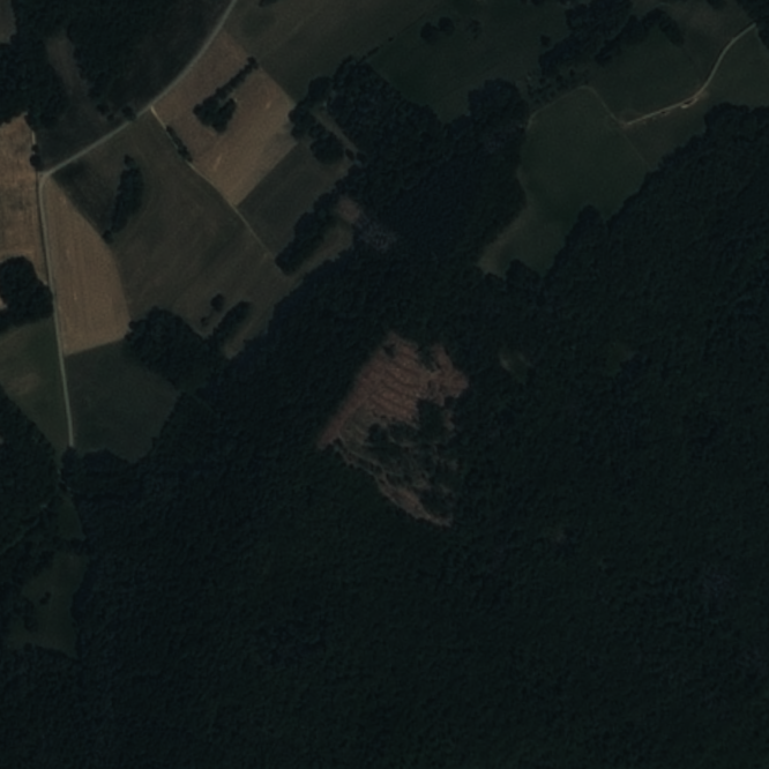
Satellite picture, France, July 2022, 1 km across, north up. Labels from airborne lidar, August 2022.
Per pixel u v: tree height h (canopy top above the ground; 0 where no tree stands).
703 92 0
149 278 0
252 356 20
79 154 0
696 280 21
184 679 27
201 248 0
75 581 0
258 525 20
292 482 16
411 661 20
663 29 15
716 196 20
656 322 17
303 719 16
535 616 18
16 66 18
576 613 16
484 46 0
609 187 0
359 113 25
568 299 19
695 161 15
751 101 0
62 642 0
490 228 20
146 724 26
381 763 16
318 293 27
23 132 0
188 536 27
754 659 18
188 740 21
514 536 22
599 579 12
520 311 21
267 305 0
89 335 0
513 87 16
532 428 12
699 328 17
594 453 15
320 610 18
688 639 11
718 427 20
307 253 12
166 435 7
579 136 0
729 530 17
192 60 0
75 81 0
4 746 25
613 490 20
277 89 0
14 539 14
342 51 0
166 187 0
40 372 0
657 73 0
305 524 15
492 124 22
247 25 0
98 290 0
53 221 0
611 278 21
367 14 0
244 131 0
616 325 20
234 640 16
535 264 0
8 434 16
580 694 17
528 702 19
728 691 13
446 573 20
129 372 0
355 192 21
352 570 14
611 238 17
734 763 24
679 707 17
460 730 15
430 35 18
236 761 20
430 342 16
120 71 24
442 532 10
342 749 18
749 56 0
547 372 15
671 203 16
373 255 18
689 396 16
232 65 0
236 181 0
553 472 17
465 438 21
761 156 15
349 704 18
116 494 13
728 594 15
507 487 8
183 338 26
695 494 17
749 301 24
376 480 12
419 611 19
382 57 0
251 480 6
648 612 18
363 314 23
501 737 16
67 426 0
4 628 24
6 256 0
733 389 15
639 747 14
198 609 26
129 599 23
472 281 15
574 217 0
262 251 0
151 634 30
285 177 0
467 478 18
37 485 22
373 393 0
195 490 27
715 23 0
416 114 25
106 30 17
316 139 9
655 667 19
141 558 20
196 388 0
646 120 0
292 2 0
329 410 18
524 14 0
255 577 17
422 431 10
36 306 21
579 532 15
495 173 21
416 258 15
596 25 20
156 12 20
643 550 14
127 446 0
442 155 19
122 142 0
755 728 13
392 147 25
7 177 0
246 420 27
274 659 21
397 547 18
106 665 22
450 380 0
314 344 26
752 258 16
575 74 9
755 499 22
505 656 14
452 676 22
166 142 0
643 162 0
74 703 14
